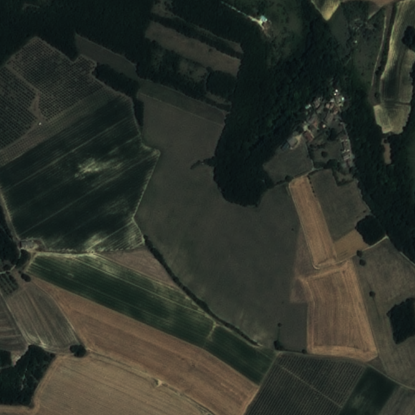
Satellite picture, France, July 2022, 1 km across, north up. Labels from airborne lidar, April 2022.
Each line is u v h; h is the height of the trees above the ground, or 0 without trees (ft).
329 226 0
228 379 0
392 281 0
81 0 35
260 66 51
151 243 27
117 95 0
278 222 0
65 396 0
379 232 50
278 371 0
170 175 0
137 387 0
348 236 0
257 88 44
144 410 0
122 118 0
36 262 0
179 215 0
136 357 0
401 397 0
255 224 0
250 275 0
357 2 20
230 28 52
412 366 0
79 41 0
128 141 0
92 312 0
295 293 0
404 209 74
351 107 34
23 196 0
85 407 0
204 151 0
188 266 0
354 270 0
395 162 50
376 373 0
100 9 35
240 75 25
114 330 0
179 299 0
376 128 72
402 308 69
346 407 0
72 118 0
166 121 0
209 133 0
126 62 0
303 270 0
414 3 0
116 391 0
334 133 44
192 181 0
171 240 0
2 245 43
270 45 24
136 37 46
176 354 0
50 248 0
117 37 38
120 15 35
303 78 62
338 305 0
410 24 0
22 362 43
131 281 0
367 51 0
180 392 0
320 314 0
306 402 0
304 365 0
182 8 45
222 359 0
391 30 22
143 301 0
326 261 0
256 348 0
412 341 0
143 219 0
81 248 0
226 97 23
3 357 34
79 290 0
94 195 0
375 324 0
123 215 0
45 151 0
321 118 0
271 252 0
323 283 0
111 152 0
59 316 0
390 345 0
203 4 35
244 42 33
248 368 0
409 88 0
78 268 0
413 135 0
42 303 0
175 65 24
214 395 0
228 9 46
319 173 0
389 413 0
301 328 0
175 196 0
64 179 0
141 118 37
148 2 52
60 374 0
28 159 0
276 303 0
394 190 69
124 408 0
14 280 26
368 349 0
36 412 0
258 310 0
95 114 0
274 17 0
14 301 0
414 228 90
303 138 0
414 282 0
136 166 0
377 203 62
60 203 0
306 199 0
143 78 36
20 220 0
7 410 0
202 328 0
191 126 0
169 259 0
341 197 0
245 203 47
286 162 0
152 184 0
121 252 0
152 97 0
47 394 0
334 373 0
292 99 65
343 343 0
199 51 0
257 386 0
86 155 0
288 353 0
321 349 0
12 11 24
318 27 58
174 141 0
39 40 0
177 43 0
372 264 0
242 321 0
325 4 0
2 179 0
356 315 0
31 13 25
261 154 53
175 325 0
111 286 0
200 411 0
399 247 45
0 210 50
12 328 0
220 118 0
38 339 0
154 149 0
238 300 0
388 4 0
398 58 0
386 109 0
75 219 0
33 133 0
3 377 21
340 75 35
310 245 0
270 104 50
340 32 0
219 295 0
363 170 53
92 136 0
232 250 0
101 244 0
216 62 0
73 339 0
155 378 0
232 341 0
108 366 0
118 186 0
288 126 62
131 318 0
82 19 46
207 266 0
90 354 0
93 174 0
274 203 0
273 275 0
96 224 0
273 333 0
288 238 0
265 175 39
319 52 48
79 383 0
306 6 27
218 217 0
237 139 56
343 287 0
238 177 83
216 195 0
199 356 0
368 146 51
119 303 0
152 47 29
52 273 0
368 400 0
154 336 0
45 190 0
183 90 20
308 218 0
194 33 51
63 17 36
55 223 0
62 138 0
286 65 38
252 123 28
